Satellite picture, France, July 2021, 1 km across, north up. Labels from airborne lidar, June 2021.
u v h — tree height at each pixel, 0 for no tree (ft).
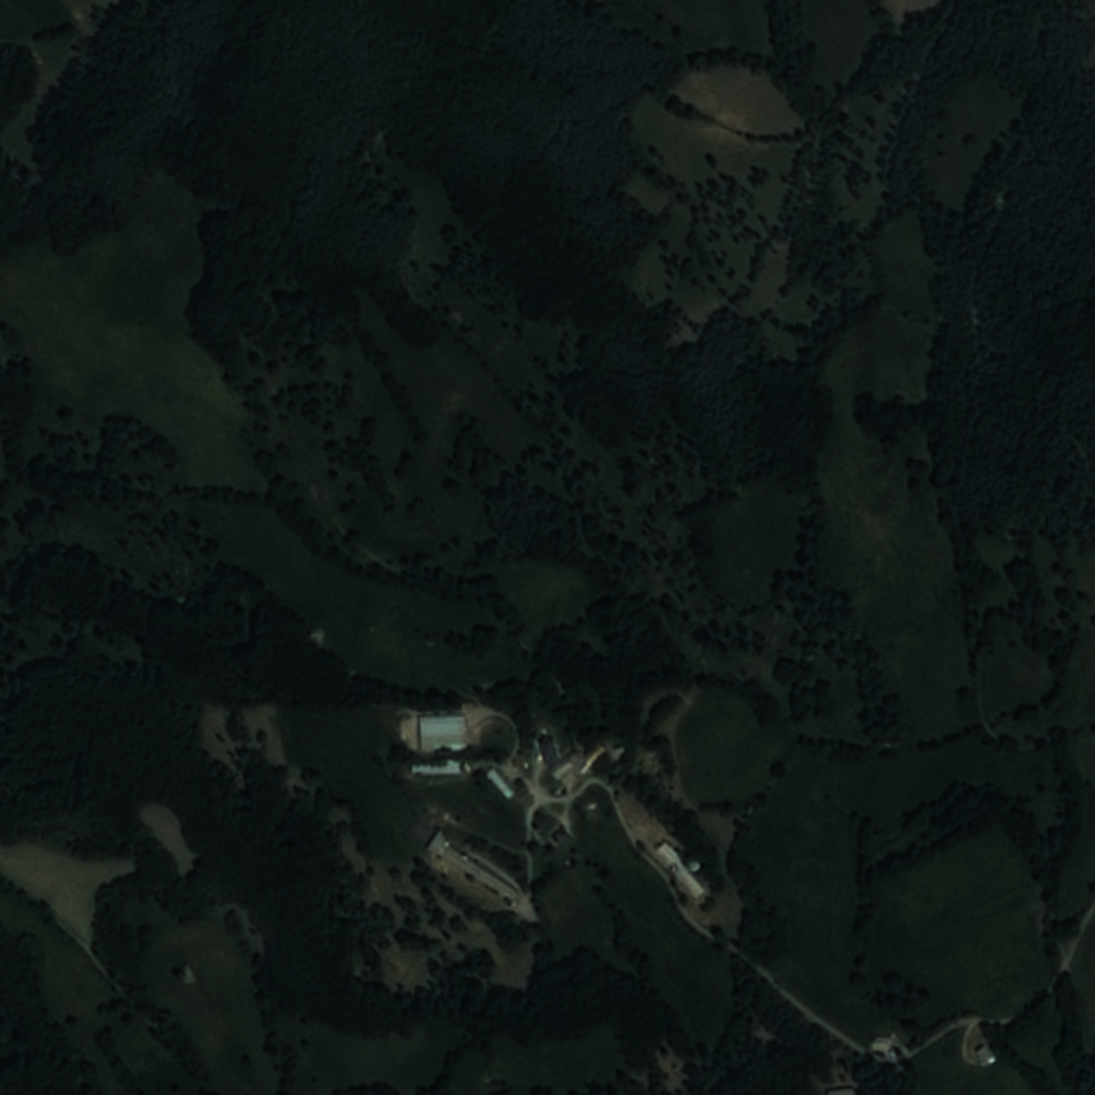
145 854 35
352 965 57
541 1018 83
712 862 44
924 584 0
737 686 33
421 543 0
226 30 64
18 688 56
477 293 70
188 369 0
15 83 79
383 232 60
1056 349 88
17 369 76
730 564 0
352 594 0
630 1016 66
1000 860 0
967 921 0
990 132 0
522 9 63
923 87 45
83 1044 0
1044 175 31
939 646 0
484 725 0
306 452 0
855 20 0
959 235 57
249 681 53
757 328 48
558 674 42
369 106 39
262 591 74
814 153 42
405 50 49
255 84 52
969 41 51
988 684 0
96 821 19
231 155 45
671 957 0
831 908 0
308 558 0
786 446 57
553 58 63
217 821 78
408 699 29
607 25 46
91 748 91
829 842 0
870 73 54
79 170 60
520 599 0
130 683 76
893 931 0
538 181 77
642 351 64
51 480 79
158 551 71
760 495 0
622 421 71
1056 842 54
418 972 0
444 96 64
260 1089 0
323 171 49
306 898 80
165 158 49
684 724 0
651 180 29
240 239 93
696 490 0
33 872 0
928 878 0
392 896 0
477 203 73
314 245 74
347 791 0
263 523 0
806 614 68
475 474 39
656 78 46
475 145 50
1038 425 71
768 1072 98
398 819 0
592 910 0
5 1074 69
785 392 89
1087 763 0
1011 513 53
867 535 0
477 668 0
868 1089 67
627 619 62
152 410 0
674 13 0
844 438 0
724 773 0
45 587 77
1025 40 50
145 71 55
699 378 54
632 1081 47
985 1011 0
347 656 0
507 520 69
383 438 0
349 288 58
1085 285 59
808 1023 44
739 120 0
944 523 43
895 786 0
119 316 0
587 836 0
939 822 51
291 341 33
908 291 0
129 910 0
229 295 63
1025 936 0
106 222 51
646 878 0
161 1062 0
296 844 96
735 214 38
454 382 0
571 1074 0
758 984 54
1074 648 18
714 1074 51
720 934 51
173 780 69
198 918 31
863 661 51
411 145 75
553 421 32
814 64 31
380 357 36
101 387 0
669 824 23
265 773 82
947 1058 0
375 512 0
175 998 0
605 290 82
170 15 67
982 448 66
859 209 0
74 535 0
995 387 79
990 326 49
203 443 0
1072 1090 26
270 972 52
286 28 49
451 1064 39
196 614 68
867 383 0
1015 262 57
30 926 0
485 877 0
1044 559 0
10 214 69
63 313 0
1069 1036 52
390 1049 0
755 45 0
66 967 0
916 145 54
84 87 73
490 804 0
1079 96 65
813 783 0
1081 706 0
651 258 0
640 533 0
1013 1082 0
